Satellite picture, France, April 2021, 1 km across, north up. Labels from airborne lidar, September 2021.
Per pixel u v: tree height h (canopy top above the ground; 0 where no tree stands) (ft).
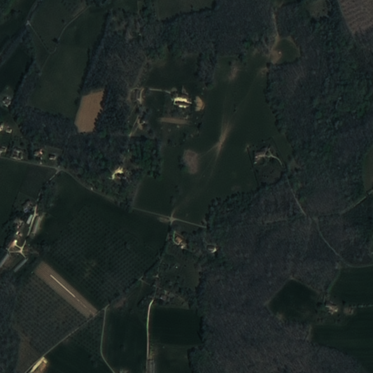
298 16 70
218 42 59
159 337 0
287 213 78
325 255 48
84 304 0
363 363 0
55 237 0
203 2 0
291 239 62
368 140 77
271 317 67
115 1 0
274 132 0
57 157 0
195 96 0
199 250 57
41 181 0
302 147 72
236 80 0
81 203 0
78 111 0
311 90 51
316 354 60
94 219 21
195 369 68
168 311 0
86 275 0
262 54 42
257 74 0
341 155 68
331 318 0
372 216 19
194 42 85
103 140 41
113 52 71
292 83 73
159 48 73
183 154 0
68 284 0
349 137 69
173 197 25
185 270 0
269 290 55
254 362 63
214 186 0
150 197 0
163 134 0
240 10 66
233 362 75
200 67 53
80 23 0
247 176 0
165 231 0
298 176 62
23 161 0
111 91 60
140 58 72
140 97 0
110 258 23
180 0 0
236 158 0
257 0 66
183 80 0
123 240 24
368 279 0
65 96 0
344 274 0
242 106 0
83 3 28
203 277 69
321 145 88
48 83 0
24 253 0
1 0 53
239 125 0
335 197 50
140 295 0
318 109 58
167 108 0
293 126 70
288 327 45
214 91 0
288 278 23
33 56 46
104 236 23
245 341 64
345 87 77
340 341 0
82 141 47
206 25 74
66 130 76
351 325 0
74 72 0
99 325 25
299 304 0
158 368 0
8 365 84
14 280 65
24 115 73
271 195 71
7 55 58
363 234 62
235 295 54
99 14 0
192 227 0
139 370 0
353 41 84
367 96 44
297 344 56
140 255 19
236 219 43
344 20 39
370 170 0
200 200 0
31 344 39
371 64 26
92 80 62
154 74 0
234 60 0
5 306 71
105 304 24
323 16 0
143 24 63
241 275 55
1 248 34
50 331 44
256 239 47
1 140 0
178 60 50
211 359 75
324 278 61
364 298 0
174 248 37
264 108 0
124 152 45
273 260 46
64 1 28
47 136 63
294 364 68
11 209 0
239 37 55
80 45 0
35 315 31
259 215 45
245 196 32
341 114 56
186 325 0
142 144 75
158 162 48
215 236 75
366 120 65
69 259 29
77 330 22
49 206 30
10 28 0
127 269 30
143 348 0
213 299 41
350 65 96
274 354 64
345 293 0
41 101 0
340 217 44
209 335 75
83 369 0
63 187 0
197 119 0
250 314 52
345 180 58
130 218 0
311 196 43
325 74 68
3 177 0
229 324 68
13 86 0
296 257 39
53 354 0
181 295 58
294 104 80
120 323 0
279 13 52
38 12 0
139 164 87
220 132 0
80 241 22
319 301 0
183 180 0
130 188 74
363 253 62
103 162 47
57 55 0
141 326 0
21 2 0
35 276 26
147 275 32
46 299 33
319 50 68
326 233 31
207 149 0
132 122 0
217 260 54
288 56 0
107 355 0
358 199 60
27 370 0
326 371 63
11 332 77
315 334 0
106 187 60
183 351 0
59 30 0
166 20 0
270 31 63
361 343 0
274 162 26
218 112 0
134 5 0
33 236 0
